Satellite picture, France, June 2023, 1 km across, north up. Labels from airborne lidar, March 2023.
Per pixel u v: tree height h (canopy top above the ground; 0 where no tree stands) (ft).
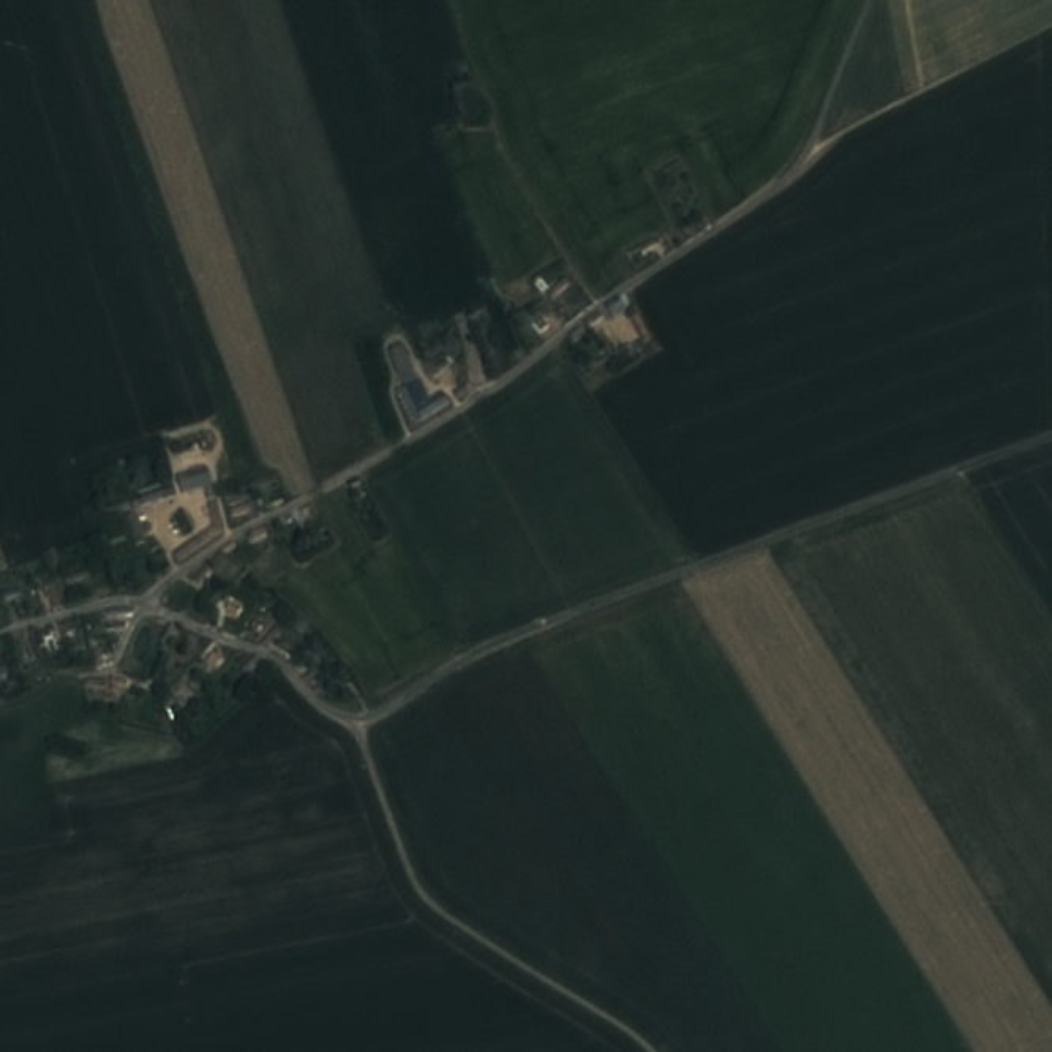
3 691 29
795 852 0
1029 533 0
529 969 0
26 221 0
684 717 0
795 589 0
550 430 0
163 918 0
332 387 0
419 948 0
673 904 0
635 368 0
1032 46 0
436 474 0
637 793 0
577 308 0
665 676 0
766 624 0
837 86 0
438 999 0
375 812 0
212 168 0
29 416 0
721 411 0
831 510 0
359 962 0
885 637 0
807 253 0
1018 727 0
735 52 0
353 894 0
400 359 0
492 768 0
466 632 0
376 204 0
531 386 0
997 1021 0
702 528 0
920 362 0
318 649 43
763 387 0
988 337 0
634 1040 0
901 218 0
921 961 0
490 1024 0
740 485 0
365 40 0
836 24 0
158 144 0
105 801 0
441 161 0
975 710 0
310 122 0
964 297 0
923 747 0
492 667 0
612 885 0
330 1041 0
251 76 0
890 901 0
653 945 0
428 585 0
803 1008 0
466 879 0
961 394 0
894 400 0
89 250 0
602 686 0
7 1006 0
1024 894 0
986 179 0
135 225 0
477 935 0
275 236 0
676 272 0
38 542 0
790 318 0
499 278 0
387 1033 0
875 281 0
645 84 0
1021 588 0
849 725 0
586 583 0
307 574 0
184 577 0
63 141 0
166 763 0
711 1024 0
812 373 0
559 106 0
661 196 0
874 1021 0
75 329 0
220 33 0
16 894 0
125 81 0
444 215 0
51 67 0
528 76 0
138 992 0
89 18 0
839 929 0
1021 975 0
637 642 0
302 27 0
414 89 0
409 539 0
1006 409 0
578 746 0
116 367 0
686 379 0
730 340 0
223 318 0
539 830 0
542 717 0
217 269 0
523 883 0
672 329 0
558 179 0
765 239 0
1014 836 0
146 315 0
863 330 0
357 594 0
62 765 0
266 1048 0
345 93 0
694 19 0
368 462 0
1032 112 0
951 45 0
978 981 0
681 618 0
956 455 0
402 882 0
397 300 0
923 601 0
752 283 0
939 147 0
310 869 0
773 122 0
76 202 0
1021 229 0
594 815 0
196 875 0
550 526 0
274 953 0
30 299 0
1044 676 0
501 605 0
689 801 0
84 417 0
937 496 0
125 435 0
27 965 0
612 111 0
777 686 0
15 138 0
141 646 0
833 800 0
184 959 0
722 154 0
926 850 0
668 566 0
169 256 0
